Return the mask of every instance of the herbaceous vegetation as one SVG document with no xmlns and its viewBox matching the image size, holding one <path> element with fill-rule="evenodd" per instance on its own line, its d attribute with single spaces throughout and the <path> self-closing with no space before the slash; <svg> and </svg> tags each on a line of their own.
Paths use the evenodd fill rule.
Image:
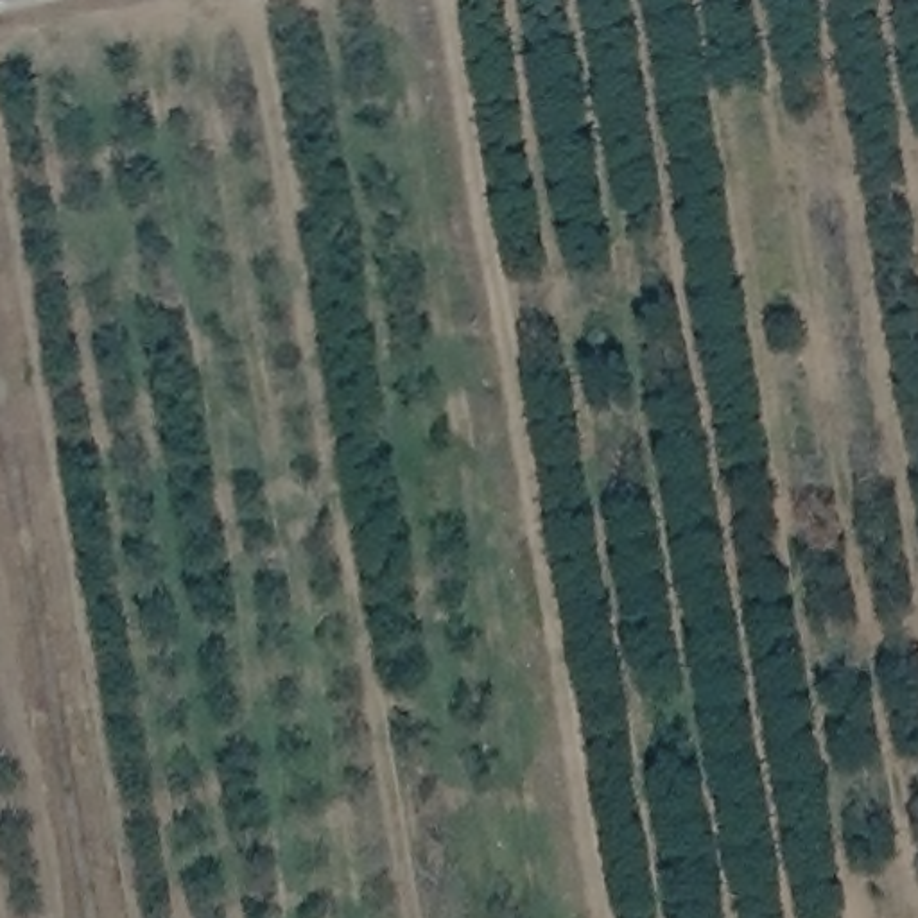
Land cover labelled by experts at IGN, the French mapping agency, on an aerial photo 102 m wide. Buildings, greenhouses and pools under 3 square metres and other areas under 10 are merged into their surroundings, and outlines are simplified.
<svg viewBox="0 0 918 918">
<path fill-rule="evenodd" d="M 581 79 L 592 79 L 592 54 L 577 0 L 563 0 L 567 32 L 574 36 Z"/>
<path fill-rule="evenodd" d="M 577 416 L 585 495 L 592 513 L 602 588 L 617 577 L 606 549 L 602 477 L 613 477 L 617 466 L 631 473 L 645 466 L 671 642 L 685 645 L 660 466 L 649 441 L 649 420 L 642 409 L 642 330 L 631 312 L 635 294 L 645 283 L 660 283 L 663 276 L 671 280 L 689 380 L 699 409 L 699 430 L 706 441 L 706 473 L 721 524 L 728 599 L 742 592 L 732 495 L 721 473 L 714 405 L 685 290 L 685 255 L 674 226 L 671 154 L 656 111 L 656 75 L 642 0 L 628 0 L 645 97 L 645 129 L 656 165 L 660 226 L 628 237 L 628 215 L 613 201 L 610 186 L 602 118 L 595 111 L 595 97 L 585 97 L 581 115 L 592 129 L 592 165 L 599 186 L 599 212 L 610 230 L 610 262 L 592 273 L 567 273 L 552 226 L 552 201 L 534 129 L 527 61 L 513 57 L 520 140 L 534 186 L 545 262 L 538 280 L 509 280 L 502 269 L 488 212 L 488 176 L 473 118 L 473 90 L 463 61 L 459 0 L 373 0 L 373 14 L 384 25 L 387 65 L 402 75 L 405 86 L 405 97 L 398 100 L 391 122 L 398 126 L 402 140 L 402 190 L 412 201 L 412 222 L 398 230 L 398 237 L 405 251 L 420 251 L 423 258 L 423 308 L 430 319 L 430 337 L 423 341 L 423 351 L 394 355 L 387 312 L 380 301 L 380 273 L 377 265 L 362 269 L 362 301 L 377 337 L 377 377 L 384 402 L 373 416 L 373 430 L 380 441 L 391 445 L 398 506 L 409 524 L 412 602 L 423 624 L 423 653 L 430 663 L 427 681 L 420 681 L 405 696 L 387 692 L 373 667 L 373 642 L 362 610 L 351 527 L 344 516 L 344 498 L 333 466 L 326 387 L 316 351 L 316 316 L 308 305 L 308 265 L 298 237 L 298 212 L 305 208 L 305 194 L 287 140 L 280 72 L 265 14 L 269 0 L 0 0 L 0 61 L 11 54 L 25 54 L 32 61 L 32 118 L 43 151 L 54 230 L 61 244 L 61 276 L 75 330 L 90 441 L 97 445 L 100 459 L 97 470 L 111 527 L 111 588 L 126 620 L 129 660 L 136 671 L 136 721 L 147 749 L 151 796 L 158 818 L 158 857 L 169 886 L 172 918 L 606 918 L 610 893 L 602 875 L 595 810 L 588 796 L 588 757 L 581 739 L 577 696 L 563 656 L 559 602 L 552 588 L 538 513 L 538 470 L 516 373 L 516 316 L 524 308 L 545 308 L 559 326 L 559 355 Z M 147 136 L 93 151 L 93 169 L 100 172 L 93 212 L 75 212 L 65 201 L 65 158 L 57 154 L 50 86 L 65 86 L 65 100 L 75 108 L 118 108 L 126 97 L 143 97 L 154 115 L 154 129 Z M 118 158 L 136 154 L 151 154 L 161 165 L 165 183 L 126 208 L 111 165 Z M 147 247 L 140 247 L 140 240 L 136 240 L 136 222 L 140 222 L 140 219 L 154 219 L 154 222 L 158 222 L 158 230 L 161 230 L 161 233 L 169 237 L 169 244 L 172 244 L 172 247 L 169 247 L 169 255 L 165 255 L 165 258 L 161 258 L 158 251 L 147 251 Z M 222 283 L 204 280 L 194 262 L 194 251 L 230 251 L 230 276 Z M 251 258 L 265 251 L 276 251 L 287 273 L 290 316 L 283 323 L 262 319 Z M 104 269 L 115 273 L 115 308 L 97 308 L 90 316 L 86 276 Z M 201 369 L 201 416 L 204 441 L 212 452 L 212 498 L 222 520 L 222 545 L 233 585 L 233 620 L 197 617 L 179 581 L 183 538 L 176 534 L 172 495 L 165 481 L 165 452 L 158 441 L 158 416 L 147 391 L 147 316 L 136 308 L 133 298 L 151 298 L 183 312 L 190 359 Z M 240 344 L 215 348 L 197 323 L 204 312 L 219 312 Z M 592 344 L 624 344 L 631 373 L 624 405 L 588 405 L 574 348 L 577 337 Z M 330 506 L 330 545 L 341 563 L 341 588 L 326 599 L 316 599 L 308 588 L 305 552 L 305 534 L 319 506 Z M 445 509 L 466 513 L 473 585 L 463 592 L 459 606 L 466 624 L 481 628 L 466 653 L 452 653 L 452 645 L 445 642 L 445 606 L 434 595 L 437 585 L 430 581 L 427 559 L 427 516 Z M 255 649 L 255 570 L 280 570 L 287 577 L 294 642 L 283 653 L 258 656 Z M 222 724 L 208 714 L 197 678 L 197 645 L 208 635 L 226 638 L 233 685 L 240 692 L 237 714 Z M 341 667 L 359 671 L 362 689 L 351 699 L 330 699 L 326 692 L 326 678 Z M 463 724 L 448 710 L 459 678 L 491 681 L 491 706 L 481 724 Z M 409 710 L 412 717 L 430 721 L 427 753 L 412 742 L 402 742 L 394 749 L 391 710 Z M 258 742 L 255 775 L 258 792 L 269 807 L 265 828 L 230 832 L 226 825 L 215 749 L 230 735 Z M 463 757 L 466 742 L 481 742 L 481 749 L 502 749 L 502 757 L 491 760 L 488 789 L 470 789 L 470 760 Z M 194 843 L 186 850 L 172 850 L 172 814 L 197 803 L 204 803 L 204 825 L 212 828 L 212 839 Z M 219 857 L 226 889 L 194 893 L 186 900 L 183 868 L 190 868 L 201 857 Z"/>
<path fill-rule="evenodd" d="M 907 481 L 911 455 L 889 380 L 889 348 L 875 294 L 875 262 L 864 222 L 864 194 L 857 179 L 857 151 L 843 111 L 843 86 L 836 75 L 832 25 L 818 25 L 821 100 L 807 118 L 796 118 L 782 104 L 782 72 L 771 47 L 771 18 L 764 0 L 749 0 L 757 47 L 764 61 L 764 82 L 710 90 L 706 104 L 717 158 L 724 169 L 728 237 L 746 301 L 746 337 L 760 391 L 767 473 L 775 481 L 775 556 L 785 567 L 792 624 L 803 653 L 803 685 L 814 678 L 832 681 L 843 674 L 853 685 L 868 685 L 871 696 L 879 760 L 828 778 L 828 839 L 836 879 L 843 886 L 846 918 L 918 918 L 918 757 L 900 757 L 893 746 L 889 710 L 882 699 L 875 663 L 882 628 L 875 617 L 864 552 L 857 545 L 853 513 L 896 495 L 900 545 L 911 581 L 911 610 L 904 613 L 904 631 L 918 642 L 918 513 Z M 792 301 L 792 308 L 800 312 L 807 330 L 800 351 L 775 351 L 767 344 L 764 308 L 771 301 Z M 789 545 L 792 534 L 803 538 L 810 549 L 832 549 L 836 534 L 846 538 L 843 563 L 857 606 L 853 620 L 810 624 L 803 567 Z M 868 814 L 879 803 L 889 810 L 896 850 L 882 871 L 850 868 L 843 839 L 843 800 L 861 814 Z"/>
<path fill-rule="evenodd" d="M 814 749 L 825 764 L 832 760 L 825 735 L 828 714 L 818 692 L 807 703 Z"/>
<path fill-rule="evenodd" d="M 43 896 L 43 911 L 50 918 L 136 918 L 140 896 L 126 839 L 126 807 L 104 735 L 97 656 L 86 620 L 86 599 L 79 588 L 75 545 L 57 466 L 57 423 L 43 380 L 32 269 L 22 247 L 14 161 L 0 111 L 0 810 L 29 810 L 32 818 L 29 843 L 36 857 L 36 886 Z"/>
<path fill-rule="evenodd" d="M 645 875 L 653 893 L 663 886 L 663 879 L 642 757 L 653 739 L 653 724 L 635 681 L 635 667 L 620 663 L 620 689 L 628 703 L 631 800 L 642 825 Z"/>
<path fill-rule="evenodd" d="M 918 258 L 918 133 L 911 126 L 900 61 L 886 57 L 896 143 L 904 158 L 904 197 L 911 204 L 911 251 Z"/>
<path fill-rule="evenodd" d="M 301 0 L 319 18 L 330 68 L 344 65 L 344 22 L 337 0 Z"/>
</svg>

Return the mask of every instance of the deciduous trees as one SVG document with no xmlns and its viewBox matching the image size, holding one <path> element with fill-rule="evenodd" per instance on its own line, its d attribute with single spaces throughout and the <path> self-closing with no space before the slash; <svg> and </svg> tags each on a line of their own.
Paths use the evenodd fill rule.
<svg viewBox="0 0 918 918">
<path fill-rule="evenodd" d="M 502 757 L 502 749 L 481 749 L 481 742 L 466 742 L 463 757 L 470 760 L 470 789 L 488 789 L 491 760 Z"/>
<path fill-rule="evenodd" d="M 491 706 L 491 681 L 459 678 L 448 710 L 463 724 L 481 724 Z"/>
<path fill-rule="evenodd" d="M 237 714 L 240 692 L 233 685 L 226 638 L 208 635 L 197 645 L 197 678 L 208 714 L 222 724 Z"/>
<path fill-rule="evenodd" d="M 771 301 L 764 308 L 767 344 L 775 351 L 800 351 L 807 330 L 800 312 L 792 308 L 792 301 Z"/>
<path fill-rule="evenodd" d="M 305 534 L 305 552 L 308 588 L 316 599 L 326 599 L 341 588 L 341 563 L 330 545 L 330 506 L 319 506 Z"/>
<path fill-rule="evenodd" d="M 115 273 L 104 269 L 86 276 L 90 316 L 97 308 L 115 308 Z"/>
<path fill-rule="evenodd" d="M 351 699 L 362 689 L 359 671 L 341 667 L 326 678 L 326 692 L 330 699 Z"/>
<path fill-rule="evenodd" d="M 588 405 L 624 405 L 631 373 L 624 344 L 592 344 L 577 337 L 574 348 Z"/>
<path fill-rule="evenodd" d="M 459 606 L 463 592 L 473 585 L 466 513 L 445 509 L 427 516 L 427 559 L 430 581 L 437 585 L 434 595 L 445 606 L 445 642 L 452 645 L 452 653 L 466 653 L 481 628 L 466 624 Z"/>
<path fill-rule="evenodd" d="M 836 534 L 832 549 L 810 549 L 803 538 L 792 534 L 789 545 L 803 567 L 810 624 L 853 620 L 857 606 L 843 563 L 846 538 Z"/>
<path fill-rule="evenodd" d="M 111 165 L 126 208 L 165 183 L 161 165 L 151 154 L 136 154 L 118 158 Z"/>
<path fill-rule="evenodd" d="M 617 466 L 613 477 L 602 477 L 606 549 L 617 577 L 602 588 L 592 513 L 585 495 L 577 416 L 559 355 L 559 326 L 545 308 L 524 308 L 516 316 L 516 373 L 538 470 L 538 513 L 552 588 L 559 602 L 563 656 L 577 696 L 581 739 L 588 757 L 588 796 L 595 810 L 602 875 L 610 893 L 606 918 L 846 918 L 843 886 L 836 879 L 828 839 L 828 778 L 879 760 L 871 696 L 868 685 L 853 685 L 843 674 L 832 681 L 814 678 L 803 685 L 803 653 L 792 624 L 785 567 L 775 556 L 775 481 L 767 473 L 760 391 L 746 337 L 746 301 L 728 237 L 724 169 L 717 158 L 706 104 L 710 90 L 764 82 L 764 61 L 757 47 L 749 0 L 642 0 L 656 75 L 656 111 L 671 154 L 674 226 L 685 255 L 685 290 L 714 405 L 721 473 L 732 495 L 742 592 L 728 599 L 721 524 L 706 473 L 706 441 L 699 430 L 699 409 L 689 380 L 671 280 L 663 276 L 660 283 L 645 283 L 635 294 L 631 312 L 642 330 L 642 409 L 649 420 L 649 441 L 660 466 L 685 645 L 671 642 L 645 466 L 631 473 Z M 620 663 L 635 667 L 635 681 L 653 724 L 653 739 L 642 757 L 663 879 L 663 886 L 653 893 L 645 875 L 642 825 L 631 800 L 628 703 L 620 689 Z M 814 749 L 807 703 L 818 692 L 828 714 L 825 735 L 832 760 L 825 764 Z"/>
<path fill-rule="evenodd" d="M 287 273 L 276 251 L 265 251 L 251 258 L 262 319 L 283 323 L 290 316 Z"/>
<path fill-rule="evenodd" d="M 183 312 L 151 298 L 133 298 L 136 308 L 147 316 L 147 391 L 158 416 L 158 441 L 165 452 L 165 481 L 172 495 L 176 534 L 183 538 L 179 581 L 197 617 L 233 620 L 233 585 L 222 545 L 222 520 L 212 498 L 212 452 L 204 441 L 201 416 L 201 369 L 190 359 Z"/>
<path fill-rule="evenodd" d="M 427 681 L 430 663 L 423 653 L 423 624 L 412 602 L 409 524 L 398 506 L 391 445 L 380 441 L 373 430 L 373 416 L 384 402 L 377 377 L 377 337 L 362 301 L 362 269 L 377 265 L 380 273 L 380 301 L 387 312 L 394 355 L 423 351 L 423 341 L 430 337 L 430 319 L 423 308 L 423 258 L 420 251 L 405 251 L 398 237 L 398 230 L 412 222 L 412 201 L 402 190 L 402 140 L 398 126 L 391 122 L 398 100 L 405 97 L 405 86 L 402 75 L 387 65 L 384 25 L 373 14 L 373 0 L 337 0 L 344 22 L 344 65 L 330 68 L 319 18 L 301 0 L 269 0 L 265 14 L 280 72 L 287 140 L 305 194 L 305 208 L 298 212 L 298 237 L 308 265 L 308 305 L 316 316 L 316 351 L 326 387 L 333 466 L 344 498 L 344 516 L 351 527 L 362 610 L 373 642 L 373 667 L 387 692 L 405 696 L 420 681 Z"/>
<path fill-rule="evenodd" d="M 158 251 L 161 258 L 165 258 L 165 255 L 169 255 L 169 247 L 172 247 L 172 244 L 169 244 L 169 237 L 161 233 L 161 230 L 158 230 L 158 222 L 154 222 L 154 219 L 140 219 L 140 222 L 136 222 L 136 240 L 140 240 L 140 247 L 147 247 L 147 251 Z"/>
<path fill-rule="evenodd" d="M 197 803 L 172 814 L 172 850 L 186 850 L 194 843 L 212 839 L 212 828 L 204 825 L 204 803 Z"/>
<path fill-rule="evenodd" d="M 889 810 L 879 803 L 868 814 L 861 814 L 843 800 L 843 839 L 850 868 L 882 871 L 896 850 Z"/>
<path fill-rule="evenodd" d="M 265 828 L 269 807 L 258 792 L 255 775 L 258 742 L 230 735 L 215 749 L 226 825 L 230 832 Z"/>
<path fill-rule="evenodd" d="M 215 348 L 240 344 L 219 312 L 204 312 L 197 323 Z"/>
<path fill-rule="evenodd" d="M 294 642 L 287 577 L 280 570 L 255 570 L 255 649 L 258 656 L 283 653 Z"/>
<path fill-rule="evenodd" d="M 412 717 L 409 710 L 391 710 L 394 749 L 402 742 L 412 742 L 427 753 L 430 721 Z"/>
<path fill-rule="evenodd" d="M 230 251 L 194 251 L 194 262 L 204 280 L 222 283 L 230 276 Z"/>
<path fill-rule="evenodd" d="M 567 273 L 592 273 L 610 262 L 610 230 L 599 212 L 599 186 L 592 165 L 592 129 L 581 115 L 585 97 L 595 97 L 595 111 L 602 118 L 610 186 L 613 201 L 628 215 L 628 237 L 660 226 L 656 165 L 645 129 L 645 97 L 628 0 L 577 0 L 592 54 L 592 79 L 581 79 L 574 36 L 567 32 L 563 0 L 459 0 L 463 61 L 473 90 L 473 118 L 488 176 L 488 212 L 502 269 L 509 280 L 538 280 L 545 262 L 534 186 L 520 140 L 513 57 L 527 61 L 534 129 L 552 201 L 552 226 Z"/>
<path fill-rule="evenodd" d="M 832 25 L 836 75 L 843 86 L 843 111 L 857 151 L 857 179 L 864 194 L 864 222 L 875 262 L 875 294 L 889 348 L 889 380 L 911 455 L 907 481 L 918 513 L 918 258 L 911 251 L 911 204 L 904 197 L 904 158 L 896 143 L 886 57 L 900 61 L 911 126 L 918 133 L 918 0 L 764 0 L 771 18 L 771 47 L 782 72 L 782 104 L 796 118 L 807 118 L 821 100 L 818 25 Z"/>
<path fill-rule="evenodd" d="M 32 818 L 29 810 L 0 810 L 0 918 L 50 918 L 43 911 L 43 896 L 36 886 L 36 857 L 29 843 Z"/>
<path fill-rule="evenodd" d="M 14 161 L 22 247 L 32 269 L 43 380 L 57 423 L 57 466 L 75 545 L 79 588 L 86 599 L 86 620 L 97 656 L 104 735 L 126 807 L 126 839 L 140 896 L 136 918 L 172 918 L 169 886 L 158 857 L 158 818 L 151 796 L 147 749 L 136 721 L 136 671 L 129 660 L 126 620 L 111 588 L 111 527 L 97 470 L 100 459 L 97 445 L 90 441 L 75 330 L 61 276 L 61 244 L 54 230 L 43 151 L 32 118 L 32 61 L 25 54 L 11 54 L 0 61 L 0 111 Z"/>
<path fill-rule="evenodd" d="M 900 545 L 896 495 L 853 513 L 857 545 L 864 552 L 875 617 L 882 628 L 875 663 L 882 699 L 889 710 L 893 746 L 900 757 L 918 757 L 918 642 L 904 631 L 904 613 L 911 610 L 911 581 Z"/>
<path fill-rule="evenodd" d="M 194 893 L 226 889 L 219 857 L 201 857 L 190 868 L 183 868 L 186 900 Z"/>
<path fill-rule="evenodd" d="M 154 129 L 154 115 L 143 97 L 126 97 L 118 108 L 75 108 L 65 100 L 65 86 L 50 86 L 57 154 L 65 158 L 65 201 L 75 212 L 93 212 L 100 172 L 93 169 L 93 151 L 147 136 Z"/>
</svg>

